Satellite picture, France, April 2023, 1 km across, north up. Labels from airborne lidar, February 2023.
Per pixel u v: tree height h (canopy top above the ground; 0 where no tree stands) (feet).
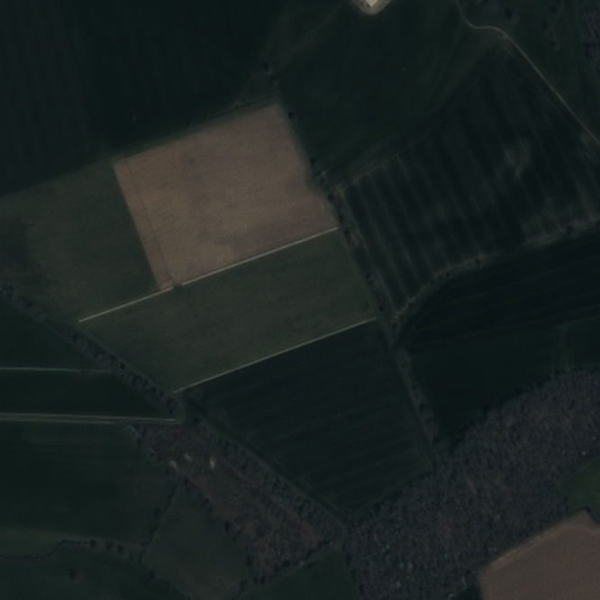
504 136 0
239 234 0
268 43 0
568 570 0
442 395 0
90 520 0
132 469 0
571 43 0
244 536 33
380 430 0
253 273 0
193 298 0
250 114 0
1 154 0
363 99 0
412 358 0
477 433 60
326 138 0
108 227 0
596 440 69
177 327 0
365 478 0
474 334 0
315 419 0
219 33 0
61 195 0
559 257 0
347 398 0
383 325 0
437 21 0
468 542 73
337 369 0
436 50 0
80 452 0
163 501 0
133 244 0
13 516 0
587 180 0
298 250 0
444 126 0
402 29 0
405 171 0
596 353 0
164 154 0
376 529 62
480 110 0
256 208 0
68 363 0
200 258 0
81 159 0
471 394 0
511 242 0
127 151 0
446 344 0
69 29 0
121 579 0
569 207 0
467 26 0
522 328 0
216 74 0
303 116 0
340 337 0
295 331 0
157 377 0
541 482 75
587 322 0
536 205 0
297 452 0
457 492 73
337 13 0
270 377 0
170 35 0
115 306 0
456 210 0
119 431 0
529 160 0
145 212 0
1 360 0
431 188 0
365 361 0
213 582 0
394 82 0
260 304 0
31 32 0
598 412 77
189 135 0
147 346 0
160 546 0
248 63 0
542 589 0
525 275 0
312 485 0
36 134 0
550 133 0
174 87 0
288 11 0
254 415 0
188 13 0
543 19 0
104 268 0
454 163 0
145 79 0
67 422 0
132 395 0
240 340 0
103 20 0
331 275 0
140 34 0
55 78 0
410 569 80
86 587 0
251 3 0
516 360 0
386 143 0
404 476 0
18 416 0
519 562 0
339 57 0
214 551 0
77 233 0
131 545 0
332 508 0
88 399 0
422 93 0
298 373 0
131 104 0
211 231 0
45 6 0
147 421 0
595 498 0
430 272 0
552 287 0
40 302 0
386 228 0
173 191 0
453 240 0
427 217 0
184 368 0
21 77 0
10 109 0
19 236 0
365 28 0
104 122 0
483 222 0
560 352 0
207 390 0
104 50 0
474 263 0
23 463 0
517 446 73
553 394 64
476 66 0
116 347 0
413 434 0
